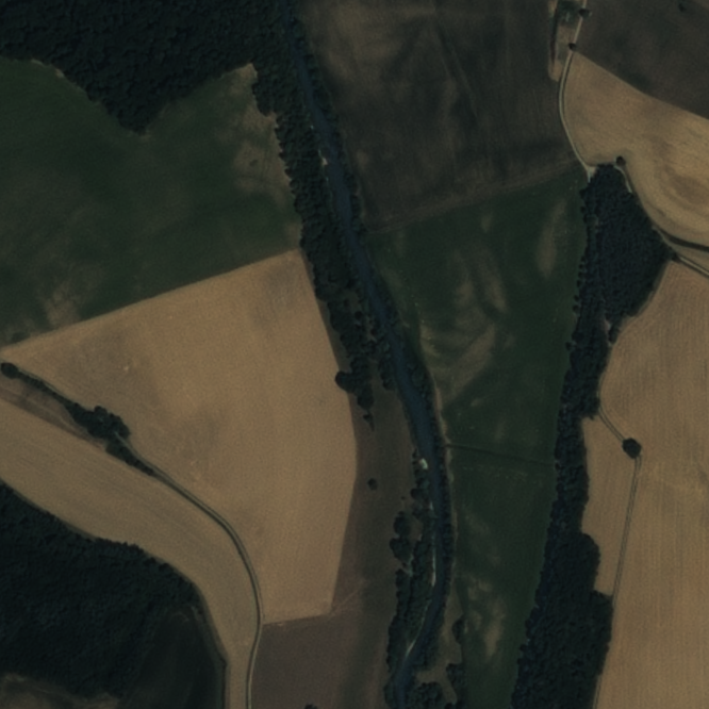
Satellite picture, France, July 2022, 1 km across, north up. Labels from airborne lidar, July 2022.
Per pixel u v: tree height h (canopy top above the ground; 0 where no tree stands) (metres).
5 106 0
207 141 0
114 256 0
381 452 0
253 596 0
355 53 0
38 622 26
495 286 0
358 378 17
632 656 0
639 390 0
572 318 0
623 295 15
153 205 0
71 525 0
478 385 0
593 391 20
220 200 0
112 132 0
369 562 0
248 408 0
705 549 0
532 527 0
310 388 0
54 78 0
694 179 0
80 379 0
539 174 0
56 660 21
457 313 0
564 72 0
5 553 19
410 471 0
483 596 0
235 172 0
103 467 0
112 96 25
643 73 0
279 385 0
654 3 0
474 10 0
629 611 0
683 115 0
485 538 0
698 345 0
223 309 0
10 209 0
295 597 0
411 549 18
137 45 26
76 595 25
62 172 0
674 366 0
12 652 22
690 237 0
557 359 0
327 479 0
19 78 0
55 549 22
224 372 0
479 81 0
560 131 0
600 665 20
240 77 0
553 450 0
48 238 0
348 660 0
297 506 0
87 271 0
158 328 0
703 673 0
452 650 0
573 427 17
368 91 0
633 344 0
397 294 0
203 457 0
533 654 21
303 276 0
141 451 0
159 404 0
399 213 0
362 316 17
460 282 0
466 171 0
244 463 0
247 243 0
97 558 23
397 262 0
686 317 0
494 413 0
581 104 0
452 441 0
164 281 0
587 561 25
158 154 0
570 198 0
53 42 25
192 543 0
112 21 27
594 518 0
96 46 27
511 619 0
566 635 27
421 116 0
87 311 0
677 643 0
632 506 0
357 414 0
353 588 0
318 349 0
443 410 0
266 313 0
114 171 0
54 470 0
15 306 0
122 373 0
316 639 0
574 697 26
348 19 0
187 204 0
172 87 26
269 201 0
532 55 0
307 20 0
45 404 0
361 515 0
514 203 0
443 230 0
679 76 0
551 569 20
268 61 18
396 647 12
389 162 0
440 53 0
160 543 0
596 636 23
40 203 0
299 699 0
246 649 0
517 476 0
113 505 0
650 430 0
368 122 0
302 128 15
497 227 0
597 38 0
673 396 0
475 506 0
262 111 12
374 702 0
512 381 0
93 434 14
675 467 0
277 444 0
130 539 0
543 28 0
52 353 0
